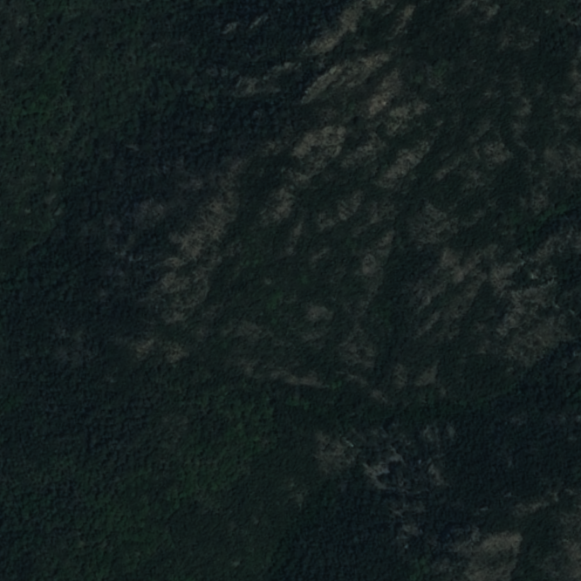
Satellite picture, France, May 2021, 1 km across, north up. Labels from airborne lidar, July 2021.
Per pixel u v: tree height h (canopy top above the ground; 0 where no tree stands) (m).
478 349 10
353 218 8
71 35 19
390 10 9
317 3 10
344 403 15
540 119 13
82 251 12
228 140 10
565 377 7
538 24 10
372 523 12
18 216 7
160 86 25
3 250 13
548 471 7
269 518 11
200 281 7
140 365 6
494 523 8
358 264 9
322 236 11
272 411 14
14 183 7
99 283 8
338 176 7
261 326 9
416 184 12
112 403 18
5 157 11
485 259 6
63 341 11
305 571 9
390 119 8
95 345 8
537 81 7
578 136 12
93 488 16
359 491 6
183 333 10
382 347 12
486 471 15
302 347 12
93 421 13
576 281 12
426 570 12
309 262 7
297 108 8
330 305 12
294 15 10
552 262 11
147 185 14
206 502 13
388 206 10
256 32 10
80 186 8
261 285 8
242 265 8
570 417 7
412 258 14
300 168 9
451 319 6
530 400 15
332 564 11
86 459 9
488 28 7
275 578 12
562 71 9
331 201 7
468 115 13
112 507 14
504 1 6
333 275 9
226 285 8
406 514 11
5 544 7
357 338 9
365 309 7
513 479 11
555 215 17
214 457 10
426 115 9
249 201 9
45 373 14
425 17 12
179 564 16
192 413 14
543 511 13
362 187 8
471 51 7
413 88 9
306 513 24
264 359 11
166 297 6
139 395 18
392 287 11
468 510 8
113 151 6
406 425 7
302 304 11
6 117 13
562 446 8
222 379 15
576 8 12
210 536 16
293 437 14
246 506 18
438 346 9
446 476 9
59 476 9
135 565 15
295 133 6
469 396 12
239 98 8
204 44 12
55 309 11
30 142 14
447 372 11
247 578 14
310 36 7
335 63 14
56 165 9
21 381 8
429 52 18
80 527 14
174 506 14
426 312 11
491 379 13
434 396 9
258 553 10
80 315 10
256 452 17
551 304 7
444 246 6
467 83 7
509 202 11
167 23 11
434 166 6
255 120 13
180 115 12
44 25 7
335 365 10
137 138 7
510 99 9
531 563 12
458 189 10
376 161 8
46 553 11
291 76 13
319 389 6
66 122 19
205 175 8
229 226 10
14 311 9
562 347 12
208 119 6
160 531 10
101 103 15
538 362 16
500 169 7
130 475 22
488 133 15
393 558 11
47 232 10
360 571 9
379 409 19
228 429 15
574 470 17
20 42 6
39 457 7
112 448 20
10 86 21
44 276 16
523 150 6
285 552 23
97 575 16
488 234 11
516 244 8
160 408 12
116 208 11
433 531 15
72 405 6
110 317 13
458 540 8
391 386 11
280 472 11
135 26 14
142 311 12
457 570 8
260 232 9
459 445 14
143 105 10
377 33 8
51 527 12
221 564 16
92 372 14
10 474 10
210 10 8
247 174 8
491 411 11
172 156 6
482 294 9
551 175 8
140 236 7
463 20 7
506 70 9
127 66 14
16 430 9
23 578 6
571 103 6
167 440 10
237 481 9
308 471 11
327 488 21
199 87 13
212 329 7
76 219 13
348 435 8
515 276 14
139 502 6
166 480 11
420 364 6
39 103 6
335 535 11
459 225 7
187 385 13
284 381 10
